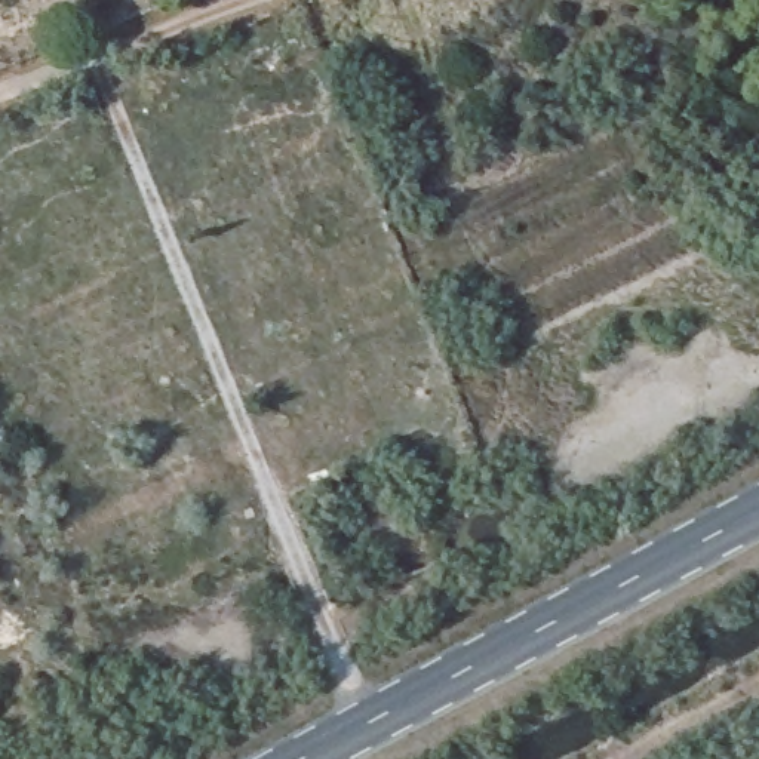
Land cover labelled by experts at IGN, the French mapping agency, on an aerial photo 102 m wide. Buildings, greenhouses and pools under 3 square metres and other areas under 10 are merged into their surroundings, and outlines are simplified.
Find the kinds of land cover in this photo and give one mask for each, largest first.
<instances>
[{"label":"herbaceous vegetation","instance_id":"1","mask_svg":"<svg viewBox=\"0 0 759 759\"><path fill-rule=\"evenodd\" d=\"M68 0H0V80L12 74H27L47 62V56L33 39V27L44 9ZM77 6V18H92L95 39H104L116 47L130 44L145 24L139 9L151 0H71ZM498 0H279L258 6L252 15L270 18L273 24L261 27L243 53L219 50L211 62H202L196 68H139V74H127L119 80L116 101L125 104L136 127V142L160 190L163 208L172 213L181 252L193 270L199 296L222 344L237 391L252 415L264 460L276 471L288 498L296 492H308L317 480L341 477L350 460H365V454L374 445L397 433L445 439L457 454L483 448L486 454H492L504 430H516L522 436L546 442L557 454L560 439L569 433V427L596 409V388L581 382V374L623 362V356L634 344H652L661 353H682L703 329H712L729 335V347L735 353L759 356V237H747L744 222L738 216L715 208V199L697 190L694 175L685 166H670L667 172L655 169V163L649 160L646 136L655 127L661 133L670 130L673 122L655 107H649V116L626 119L611 130L602 127L590 139H581L575 145L569 142L563 148L537 151L534 175L525 181L477 190H454L451 184V148L445 125L457 119L465 92L454 89L445 98L442 89L433 83L430 71L439 65L442 30L468 24L471 12H486ZM362 36L382 39L374 47V59L385 65V83H394L397 95H403L406 101L394 113L391 127L409 130L412 122H421L415 139L421 157L418 187L424 196L445 202V213L433 225L436 234L430 237V243H418L415 249L397 231V222L388 225V211L382 208V196L377 190V172L362 154V139L350 127L347 116L332 104L329 89L344 56V47ZM673 213L676 228L661 231L652 240L611 261H602L584 273H575L572 279H563L548 291L528 296L522 294L528 282L543 279L546 273L560 270L566 264H575L590 252H602L608 243L637 234L649 222H658ZM685 252L697 255L694 267L679 270L673 279H664L661 288L637 294L623 308L608 305L584 314L569 326H557V314L599 294H608L626 282H634L637 276ZM465 264H480L486 270L507 273L510 282L501 285L492 311H501L516 323L513 335L501 344L492 371H480L474 380L463 374L451 377L442 341L436 338L421 305V291L415 288L421 276L433 279L445 267L463 270ZM735 107L741 110V116H738V125H747V127H759V104H750V101H747L744 95H738V98H735ZM122 421L139 424V433L151 439V448L142 451L139 465L133 463L127 471H116L110 457L104 454L107 430H119ZM42 451V468H56L65 477L56 486L53 498H39V492H27L24 507H12L9 498L0 495V617L12 611L24 623V637L9 646H0V664L15 661L21 667L15 688L18 700L6 712L27 723L30 717H36L33 688L39 670L71 673L74 664L62 655L71 652V646L86 652L104 640L127 643L139 632L175 629L181 623L208 632L228 620L243 623V611L234 599L249 584H261L270 572L285 569L279 537L267 522V510L255 489L252 471L243 463L237 433L222 406V394L205 362L199 335L175 288L163 249L154 237L130 163L116 139L110 107H80L62 113L59 119L39 116L36 122H30L12 104L0 107V468L6 474H18L24 468V454ZM190 498L205 510L202 534H187L175 528L178 504ZM759 486V460L735 471L729 480L700 489L679 510L658 516L646 531L617 528V537L608 546L590 548L563 572L543 578L537 587H522L510 599L483 602L474 608L471 617L448 626L436 640L406 646L397 658L385 655L382 661L368 664L362 673V679L380 682V691H388L400 682V676L412 670L436 664L445 646H468L480 640V629L504 617L507 623L519 620L531 605L563 596L572 584L602 575L614 560L649 548L658 537L688 528L703 513L717 510L735 501L741 492ZM759 569V537L744 546L726 548L709 566L688 569L676 584L640 596L637 605H632L629 611L602 617L590 632L563 637L551 652L516 664L507 676L477 685L468 697L433 709L424 720L394 729L382 744L356 750L350 759H415L424 750H436L439 744H445L454 732L477 726L495 709H507L510 703L528 697L540 685H546L560 667L581 658L584 652L620 646L629 629L658 623L676 608H685L694 599L741 578L744 572ZM338 634L353 640L359 634L362 617L356 608H338ZM744 673H759V646L735 661L712 667L691 688L661 700L649 712V720L634 726V732H643L646 726H655L664 717L679 715L691 706L709 703L712 697L735 688L738 676ZM335 715V691L317 694L305 706H294L288 717L258 732H249L243 747H228L225 753H213L211 759H264L276 744L311 732L323 717Z\"/></svg>","mask_w":759,"mask_h":759},{"label":"brushwood","instance_id":"2","mask_svg":"<svg viewBox=\"0 0 759 759\"><path fill-rule=\"evenodd\" d=\"M557 454L546 442L522 436L516 430H504L492 454H486L483 448L457 454L445 439L397 433L374 445L365 454V460H350L341 477L317 480L308 492H296L288 498V507L299 522V534L311 554V563L317 566V575L332 605L338 608H356L362 617L359 634L353 640L350 658L362 673L368 664L382 661L385 655L397 658L406 646L436 640L448 626L471 617L474 608L483 602L510 599L522 587H537L543 578L563 572L590 548L608 546L617 537V528L646 531L658 516L679 510L700 489L729 480L735 471L759 460V385L729 418L706 415L676 427L670 439H664L643 460L623 465L620 474H602L593 483H575L569 471L554 468ZM243 611V623L252 640L249 658H219L216 652L190 655L175 646L130 649L127 643L104 640L86 652L71 646V652L62 655L74 664L71 673L39 670L33 688L36 717H30L27 723L6 712L18 700L15 688L21 667L15 661L0 664V759H211L213 753H225L228 747H243L249 732H258L288 717L294 706H305L317 694L335 691L341 685V679L332 673L338 646L323 640L314 626L323 608L317 605L311 587L291 581L285 569L270 572L261 584H249L234 599ZM759 617V569L744 572L741 578L694 599L685 608H676L658 623L629 629L620 646L584 652L581 658L560 667L546 685H540L528 697L510 703L507 709H495L477 726L454 732L445 744H439L436 750H424L415 759H510L513 735L540 732L548 720H557L563 715L569 703H578L590 715L593 741H632L634 732V726L632 720L620 717V694L637 676H643V682L652 685L658 679V670H691L697 664V649L691 643V629H706V634H715L717 629H738ZM643 759H759V700H744L715 715L703 726L673 735V741L655 747Z\"/></svg>","mask_w":759,"mask_h":759},{"label":"deciduous trees","instance_id":"3","mask_svg":"<svg viewBox=\"0 0 759 759\"><path fill-rule=\"evenodd\" d=\"M273 24L270 18L252 15L205 30H190L181 36H166L154 50H133L130 44L116 47L104 39H95L92 18H77V6L71 0H68L44 9L33 27V39L47 56V62L68 68V77L47 80L44 86L21 95L12 104L30 122H36L39 116L59 119L62 113L80 107H110L116 101L119 80L127 74H139V68H196L202 62H211L219 50L243 53L261 27ZM213 0H151L139 9L145 24L166 21L184 9L208 6ZM433 83L442 89L445 98L454 89L465 92L457 119L445 125L451 148V184L465 181L468 175H480L492 166H504L510 154L519 148L537 151L563 148L569 142L575 145L581 139H590L602 127L611 130L626 119L649 116V107H655L673 122L670 130L661 133L655 127L646 136L649 160L655 163V169L667 172L670 166H685L694 175L697 190L715 199V208L738 216L744 222L747 237H759V127H747V125H738V116H741V110L735 107V98H738V95H744L747 101H750V104H759V0H498L486 12H471L468 24L442 30L439 65L430 71ZM382 39L362 36L344 47V56L329 89L332 104L347 116L350 127L362 139V154L377 172V190L382 196V208L388 211V225L397 222V231L415 249L418 243H430V237L436 234L433 225L445 213V202L424 196L418 187L421 157L415 139L421 122H412L409 130L391 127L394 113L406 101L403 95H397L394 83H385V65L374 59V47ZM510 282L507 273L486 270L480 264H465L463 270L445 267L433 279L421 276L415 288L421 291V305L436 338L442 341L451 377L463 374L474 380L480 371H492L501 344L513 335L516 323L501 311H492L501 285ZM151 448V439L139 433V424L122 421L119 430H107L104 454L110 457L116 471H127L133 463L139 465L142 451ZM65 477L56 468H42V451L24 454V468L18 474H6L0 468V495L9 498L12 507H24L27 492H39V498H53L56 486ZM205 510L190 498L178 504L175 528L187 534H202Z\"/></svg>","mask_w":759,"mask_h":759},{"label":"pervious surface","instance_id":"4","mask_svg":"<svg viewBox=\"0 0 759 759\"><path fill-rule=\"evenodd\" d=\"M279 0H213L208 6L184 9L166 21L145 24L130 44L133 50H154L166 36H181L190 30H205L252 15L258 6ZM68 77V68L47 62L27 74H12L0 80V107L12 104L21 95L44 86L47 80ZM116 139L130 163L154 237L163 249L175 288L199 335L205 362L222 394V406L237 433L243 463L252 471L255 489L267 510V522L279 537L285 569L291 581L311 587L317 605L323 608L314 626L323 640L338 646L332 673L341 679V685L335 691V715L356 709L359 697L380 691V682L362 679V673L350 658L353 640L338 634V608L332 605L317 575V566L311 563V554L299 534V522L288 507V498L276 471L264 460L252 415L237 391L222 344L199 296L193 270L181 252L172 213L163 208L160 190L136 142V127L125 104L116 101L110 107ZM537 151L519 148L510 154L504 166H492L480 175H468L465 181L451 184L454 190H477L525 181L534 175ZM676 228L673 213L658 222H649L637 234L608 243L602 252H590L575 264H566L560 270L546 273L543 279L528 282L522 294L528 296L548 291L563 279H572L575 273H584L602 261H611L652 240L661 231ZM697 255L685 252L637 276L634 282H626L608 294H599L557 314V326H569L584 314L608 305L623 308L637 294L661 288L664 279H673L679 270L694 267ZM581 382L596 388V409L569 427V433L560 439L557 454L554 468L569 471L575 483H593L602 474H620L623 465L643 460L664 439H670L676 427L706 415L729 418L759 385V356L735 353L729 347V335L712 329H703L682 353H661L652 344H634L623 356V362L581 374ZM24 637V623L12 611L0 617V646H9ZM130 649L175 646L190 655L216 652L219 658H249L252 640L243 623L228 620L208 632L181 623L175 629L139 632L127 643ZM744 700H759V673H744L738 676L735 688L712 697L709 703L691 706L679 715L664 717L655 726H646L643 732H634L632 741H593L602 759H643L655 747L673 741V735L703 726L715 715Z\"/></svg>","mask_w":759,"mask_h":759},{"label":"impervious surface","instance_id":"5","mask_svg":"<svg viewBox=\"0 0 759 759\"><path fill-rule=\"evenodd\" d=\"M759 537V486L741 492L735 501L717 510L703 513L688 528L658 537L649 548L614 560L602 575L572 584L563 596L531 605L519 620L507 623L504 617L480 629V640L468 646H445L436 664L412 670L400 676V682L388 691H380L359 697L356 709L335 715L323 717L311 732L276 744L264 759H350L356 750L382 744L394 729L424 720L433 709L468 697L477 685L507 676L516 664L551 652L563 637L590 632L602 617L629 611L632 605H637L640 596L676 584L688 569L709 566L726 548L744 546Z\"/></svg>","mask_w":759,"mask_h":759},{"label":"water","instance_id":"6","mask_svg":"<svg viewBox=\"0 0 759 759\"><path fill-rule=\"evenodd\" d=\"M691 643L697 649V664L691 670H658V679L652 685L643 682V676H637L620 694V717L632 720L634 726L649 720V712L661 700L691 688L712 667L735 661L759 646V617L738 629H717L715 634H706V629H691ZM510 759H602L593 741L590 715L578 703H569L563 715L557 720H548L540 732L513 735Z\"/></svg>","mask_w":759,"mask_h":759}]
</instances>
